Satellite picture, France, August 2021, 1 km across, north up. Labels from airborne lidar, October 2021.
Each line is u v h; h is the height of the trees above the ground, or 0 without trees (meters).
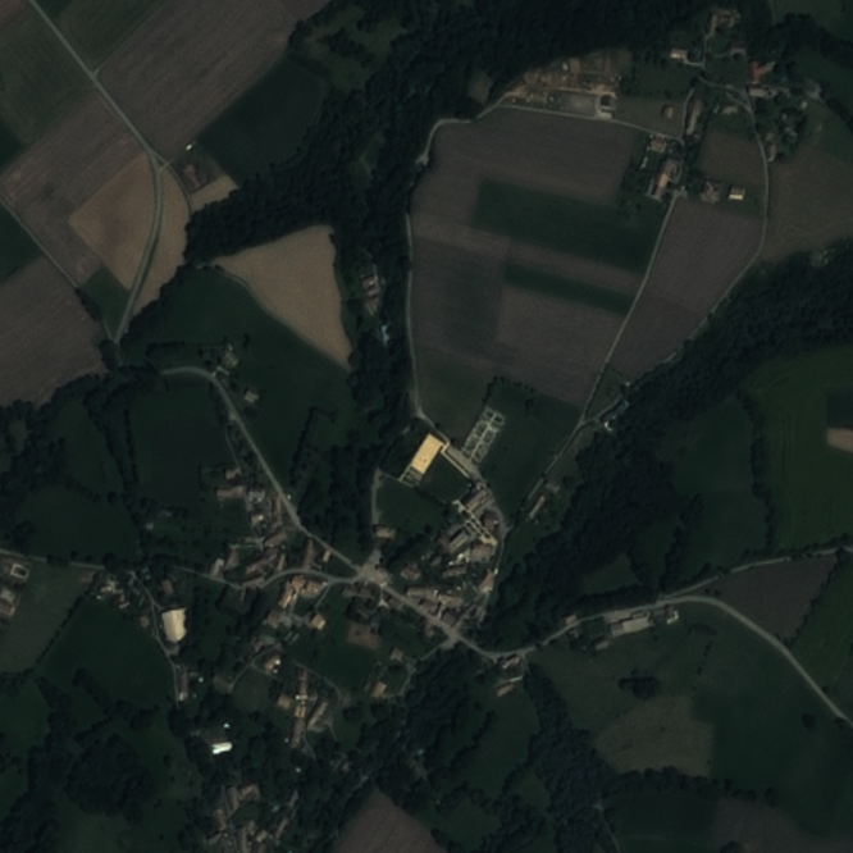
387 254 23
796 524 0
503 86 10
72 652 0
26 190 0
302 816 16
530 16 32
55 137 0
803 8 0
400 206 16
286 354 0
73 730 25
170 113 0
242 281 0
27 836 25
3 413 17
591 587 0
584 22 30
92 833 0
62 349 0
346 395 0
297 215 18
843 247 5
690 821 0
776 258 0
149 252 0
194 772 0
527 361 0
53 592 0
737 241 0
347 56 14
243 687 0
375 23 19
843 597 0
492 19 33
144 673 0
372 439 0
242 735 6
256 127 0
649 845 0
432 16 23
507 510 0
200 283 0
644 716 0
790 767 0
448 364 0
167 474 0
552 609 13
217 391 12
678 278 0
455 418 0
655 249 0
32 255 0
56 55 0
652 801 0
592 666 0
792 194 0
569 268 0
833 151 0
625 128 0
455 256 0
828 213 0
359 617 13
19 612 0
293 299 0
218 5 0
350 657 0
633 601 20
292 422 0
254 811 0
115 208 0
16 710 0
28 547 19
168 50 0
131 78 0
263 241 11
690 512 21
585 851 13
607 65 0
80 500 0
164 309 20
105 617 0
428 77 29
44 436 23
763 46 9
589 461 24
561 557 33
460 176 0
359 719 16
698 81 13
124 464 13
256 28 0
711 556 0
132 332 9
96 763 21
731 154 0
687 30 16
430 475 0
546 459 0
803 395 0
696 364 20
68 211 0
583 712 0
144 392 17
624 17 29
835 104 12
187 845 12
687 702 0
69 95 0
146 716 19
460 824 0
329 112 11
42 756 26
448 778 18
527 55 23
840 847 0
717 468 0
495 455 0
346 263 13
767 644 0
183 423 0
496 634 11
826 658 0
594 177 0
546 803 0
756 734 0
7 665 0
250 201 21
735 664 0
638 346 0
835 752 0
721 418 0
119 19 0
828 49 16
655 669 0
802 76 10
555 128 0
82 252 0
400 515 0
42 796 24
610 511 25
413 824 0
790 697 0
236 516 0
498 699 0
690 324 0
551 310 0
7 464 0
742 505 0
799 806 0
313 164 20
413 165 17
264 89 0
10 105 0
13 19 0
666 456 0
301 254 0
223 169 0
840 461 0
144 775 26
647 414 30
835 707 0
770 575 0
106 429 20
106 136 0
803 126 10
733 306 10
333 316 0
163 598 15
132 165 0
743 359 22
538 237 0
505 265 0
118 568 17
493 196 0
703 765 0
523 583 20
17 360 0
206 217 9
